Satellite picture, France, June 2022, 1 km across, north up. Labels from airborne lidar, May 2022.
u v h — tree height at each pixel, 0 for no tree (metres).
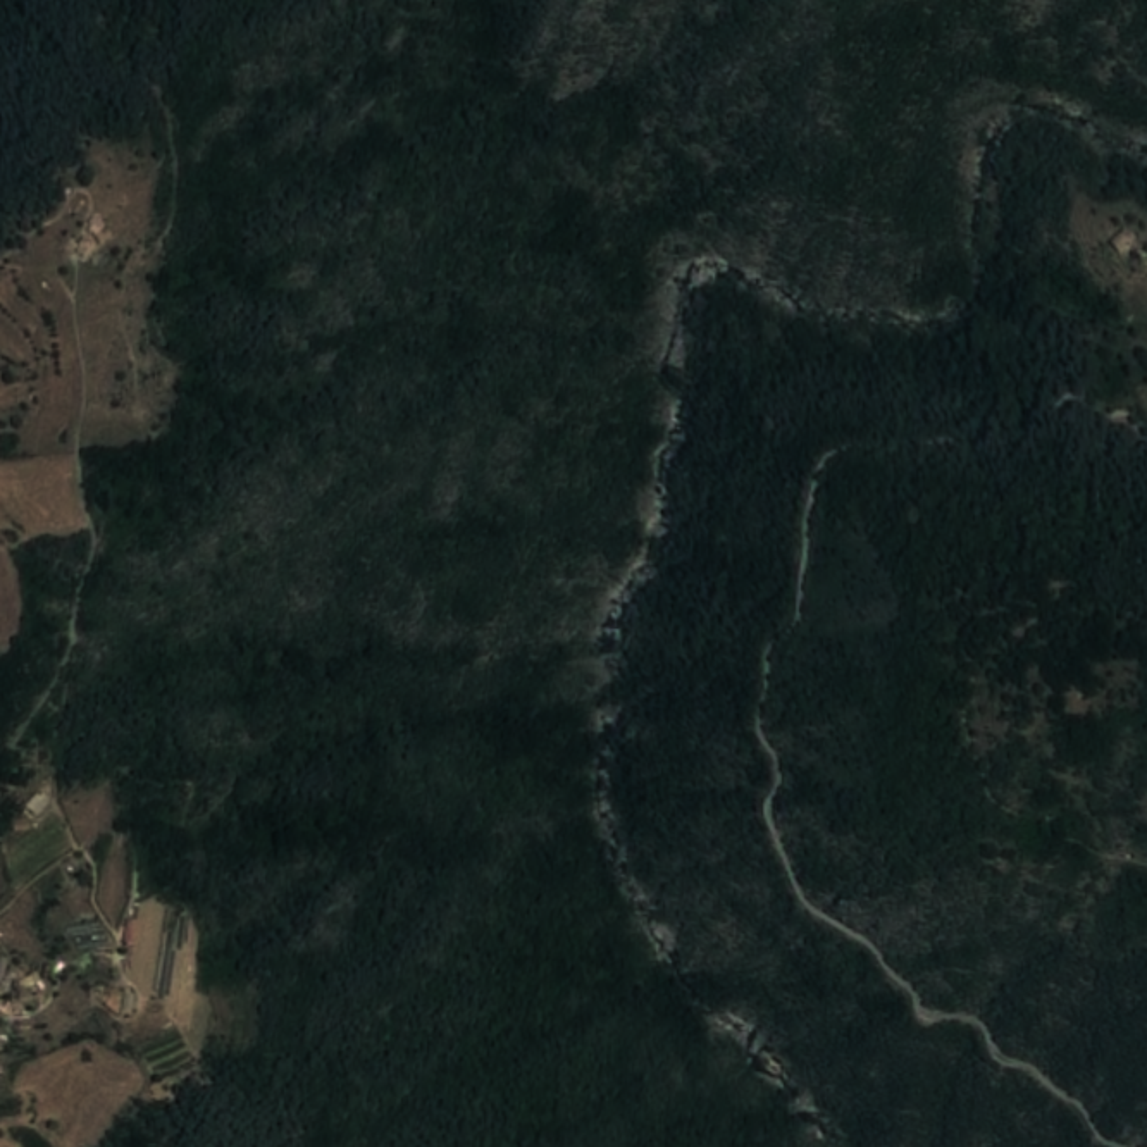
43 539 7
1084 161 6
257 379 8
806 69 8
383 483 8
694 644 14
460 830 16
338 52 8
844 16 8
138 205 0
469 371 10
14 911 0
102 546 0
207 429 10
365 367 9
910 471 9
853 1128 8
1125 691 9
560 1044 11
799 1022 9
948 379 7
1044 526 8
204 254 7
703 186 11
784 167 9
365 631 12
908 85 11
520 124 6
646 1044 5
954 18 9
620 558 7
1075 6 7
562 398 11
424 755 6
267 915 8
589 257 12
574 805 10
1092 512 14
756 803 8
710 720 6
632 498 10
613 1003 8
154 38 9
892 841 8
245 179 12
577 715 10
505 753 9
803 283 8
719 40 7
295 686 8
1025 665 14
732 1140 8
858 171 9
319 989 9
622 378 8
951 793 8
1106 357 12
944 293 7
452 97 8
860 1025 8
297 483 7
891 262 7
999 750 7
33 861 0
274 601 8
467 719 15
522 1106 12
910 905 7
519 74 11
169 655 12
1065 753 8
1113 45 6
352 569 10
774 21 6
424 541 9
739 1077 6
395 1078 12
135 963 0
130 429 0
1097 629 14
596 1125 7
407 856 13
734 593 11
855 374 12
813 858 7
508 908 9
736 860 8
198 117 8
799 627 7
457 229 12
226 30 14
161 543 6
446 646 9
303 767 9
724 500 9
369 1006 8
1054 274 8
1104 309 8
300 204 11
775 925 7
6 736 6
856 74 12
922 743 10
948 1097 7
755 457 8
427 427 8
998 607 8
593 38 6
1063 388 7
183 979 0
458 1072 14
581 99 10
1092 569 17
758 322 13
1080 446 21
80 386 0
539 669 13
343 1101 7
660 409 7
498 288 10
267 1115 20
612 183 7
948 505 11
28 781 6
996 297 18
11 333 0
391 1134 11
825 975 7
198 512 11
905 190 10
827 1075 8
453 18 5
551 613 6
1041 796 12
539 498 6
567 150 8
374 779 10
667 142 10
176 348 12
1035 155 7
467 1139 16
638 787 11
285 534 7
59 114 17
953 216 8
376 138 12
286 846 17
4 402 0
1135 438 14
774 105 6
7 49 16
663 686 9
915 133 9
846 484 6
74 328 0
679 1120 12
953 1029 8
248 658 16
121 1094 0
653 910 7
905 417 19
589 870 12
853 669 6
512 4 9
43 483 0
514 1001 14
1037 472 19
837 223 7
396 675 9
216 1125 21
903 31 10
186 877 12
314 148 9
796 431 11
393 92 8
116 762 12
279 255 8
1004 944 8
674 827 8
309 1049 9
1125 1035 8
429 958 7
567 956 13
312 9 11
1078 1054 10
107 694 7
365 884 9
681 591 6
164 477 12
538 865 9
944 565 8
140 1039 0
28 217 12
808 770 7
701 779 7
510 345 7
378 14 6
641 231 9
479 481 8
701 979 25
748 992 6
